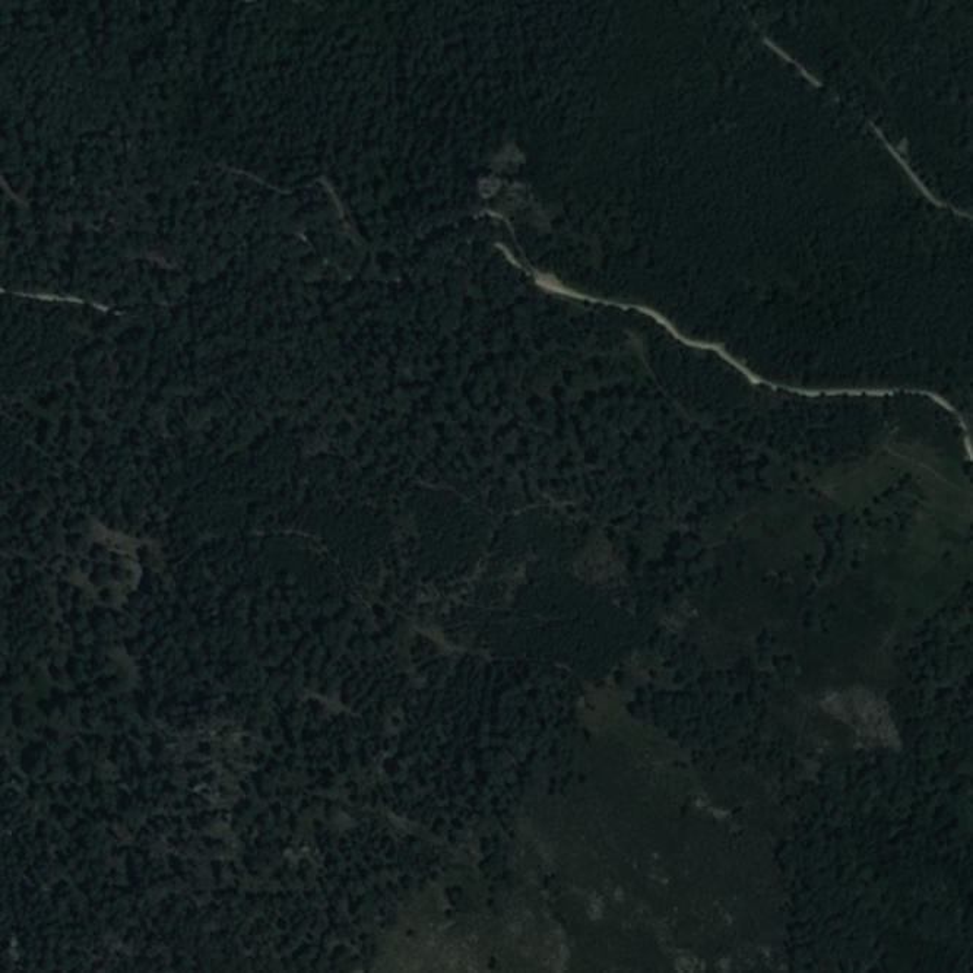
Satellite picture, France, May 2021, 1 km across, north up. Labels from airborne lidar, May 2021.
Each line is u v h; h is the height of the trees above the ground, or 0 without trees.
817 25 12
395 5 19
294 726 35
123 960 17
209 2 13
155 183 34
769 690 20
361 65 22
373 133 27
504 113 16
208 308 25
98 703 28
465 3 15
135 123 30
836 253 15
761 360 17
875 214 12
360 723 15
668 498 35
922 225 19
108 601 21
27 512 20
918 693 12
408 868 16
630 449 32
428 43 23
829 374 17
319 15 12
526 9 24
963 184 15
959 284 13
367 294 38
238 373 27
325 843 14
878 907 22
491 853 18
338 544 16
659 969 0
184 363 29
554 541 11
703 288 15
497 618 9
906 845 15
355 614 35
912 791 17
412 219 30
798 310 19
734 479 38
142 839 21
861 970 20
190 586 21
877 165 6
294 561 12
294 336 35
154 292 30
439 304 29
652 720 23
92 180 30
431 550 11
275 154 13
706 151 14
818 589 7
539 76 20
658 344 13
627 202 12
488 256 25
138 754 28
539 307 20
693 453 7
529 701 32
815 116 15
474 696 17
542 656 14
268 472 20
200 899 21
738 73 10
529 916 0
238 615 19
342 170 25
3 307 25
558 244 11
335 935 26
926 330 12
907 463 0
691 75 9
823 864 27
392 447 35
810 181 12
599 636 15
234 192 24
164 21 29
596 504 30
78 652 7
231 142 11
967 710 18
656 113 8
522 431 35
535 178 10
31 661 27
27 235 36
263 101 22
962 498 0
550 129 8
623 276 12
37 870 17
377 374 35
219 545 16
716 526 30
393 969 0
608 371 34
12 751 7
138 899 26
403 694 15
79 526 25
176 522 19
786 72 13
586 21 18
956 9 15
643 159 9
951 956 15
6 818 18
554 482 9
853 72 14
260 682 21
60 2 17
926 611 0
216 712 17
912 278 14
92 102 28
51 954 17
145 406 24
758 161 13
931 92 20
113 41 33
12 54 34
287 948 27
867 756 12
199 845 27
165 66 32
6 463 23
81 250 28
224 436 31
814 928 27
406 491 19
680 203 14
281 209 33
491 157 17
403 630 32
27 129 32
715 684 29
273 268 27
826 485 0
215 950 22
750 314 17
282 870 16
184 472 15
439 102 19
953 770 18
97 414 26
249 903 23
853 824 18
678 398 15
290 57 10
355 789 17
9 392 19
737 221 13
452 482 9
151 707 25
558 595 13
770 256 13
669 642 21
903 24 12
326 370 35
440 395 39
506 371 31
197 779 18
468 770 29
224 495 23
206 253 31
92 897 28
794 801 13
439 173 18
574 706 13
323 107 23
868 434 11
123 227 31
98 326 13
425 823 18
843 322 13
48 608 23
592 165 10
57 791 26
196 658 26
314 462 22
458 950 0
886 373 16
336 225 37
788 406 15
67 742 31
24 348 14
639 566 25
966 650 16
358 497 23
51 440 32
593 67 14
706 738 24
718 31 16
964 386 14
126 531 23
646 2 7
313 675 26
